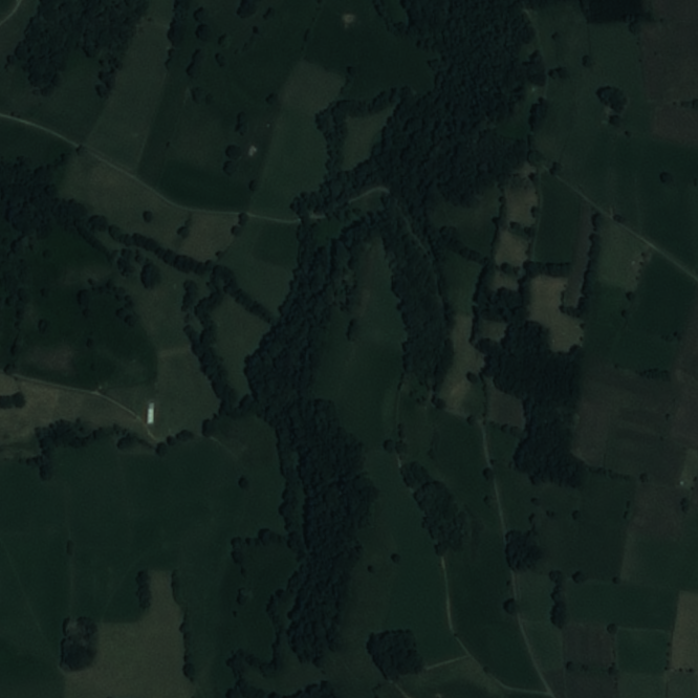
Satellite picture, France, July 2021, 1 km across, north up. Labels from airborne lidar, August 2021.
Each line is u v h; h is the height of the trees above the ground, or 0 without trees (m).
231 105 0
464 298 0
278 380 24
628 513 9
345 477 21
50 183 8
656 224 0
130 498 0
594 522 0
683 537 0
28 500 0
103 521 0
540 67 23
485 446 0
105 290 14
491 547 0
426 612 0
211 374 24
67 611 0
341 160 9
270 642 0
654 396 0
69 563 0
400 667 23
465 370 0
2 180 26
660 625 0
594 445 0
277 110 0
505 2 13
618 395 0
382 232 18
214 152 0
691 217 0
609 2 10
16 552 0
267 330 0
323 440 32
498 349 19
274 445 0
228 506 0
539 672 0
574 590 0
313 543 26
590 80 0
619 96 21
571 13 0
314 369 16
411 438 0
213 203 0
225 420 0
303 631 23
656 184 0
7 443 0
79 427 7
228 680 0
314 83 0
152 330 0
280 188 0
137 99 0
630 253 0
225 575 0
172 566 0
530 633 0
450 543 10
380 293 0
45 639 0
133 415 0
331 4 0
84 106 0
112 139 0
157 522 0
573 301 0
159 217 0
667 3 0
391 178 17
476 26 21
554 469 23
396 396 0
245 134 17
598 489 0
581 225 0
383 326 0
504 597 0
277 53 0
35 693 0
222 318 0
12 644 0
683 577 0
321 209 18
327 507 23
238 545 17
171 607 0
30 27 12
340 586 17
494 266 14
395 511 0
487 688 0
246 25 0
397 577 0
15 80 0
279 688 0
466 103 18
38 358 0
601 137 0
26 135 0
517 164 13
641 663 0
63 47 23
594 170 0
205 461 0
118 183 0
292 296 14
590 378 0
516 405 0
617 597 0
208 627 0
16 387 0
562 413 22
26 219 24
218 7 0
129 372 0
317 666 13
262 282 0
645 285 0
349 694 0
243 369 0
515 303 25
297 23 0
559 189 0
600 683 0
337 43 0
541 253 0
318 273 27
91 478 0
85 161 0
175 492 0
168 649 0
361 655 0
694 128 0
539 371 24
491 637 0
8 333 0
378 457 0
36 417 0
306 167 0
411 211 10
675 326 0
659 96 0
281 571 0
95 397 0
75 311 0
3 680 0
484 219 0
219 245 0
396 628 0
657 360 0
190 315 9
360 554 17
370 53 0
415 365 15
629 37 0
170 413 0
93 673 0
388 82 0
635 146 0
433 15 25
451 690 0
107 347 0
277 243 0
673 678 0
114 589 0
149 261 9
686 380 0
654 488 0
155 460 0
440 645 0
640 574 0
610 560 0
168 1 0
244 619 0
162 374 0
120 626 0
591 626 0
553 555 0
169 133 0
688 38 0
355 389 0
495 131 16
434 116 19
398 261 17
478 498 0
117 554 0
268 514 0
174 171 0
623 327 0
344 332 0
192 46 0
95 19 22
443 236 18
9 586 0
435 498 22
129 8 18
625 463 0
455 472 0
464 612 0
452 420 0
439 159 17
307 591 19
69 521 0
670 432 0
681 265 0
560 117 0
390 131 17
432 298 24
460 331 0
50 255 11
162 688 0
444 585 0
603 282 0
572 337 0
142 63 0
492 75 31
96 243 19
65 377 0
